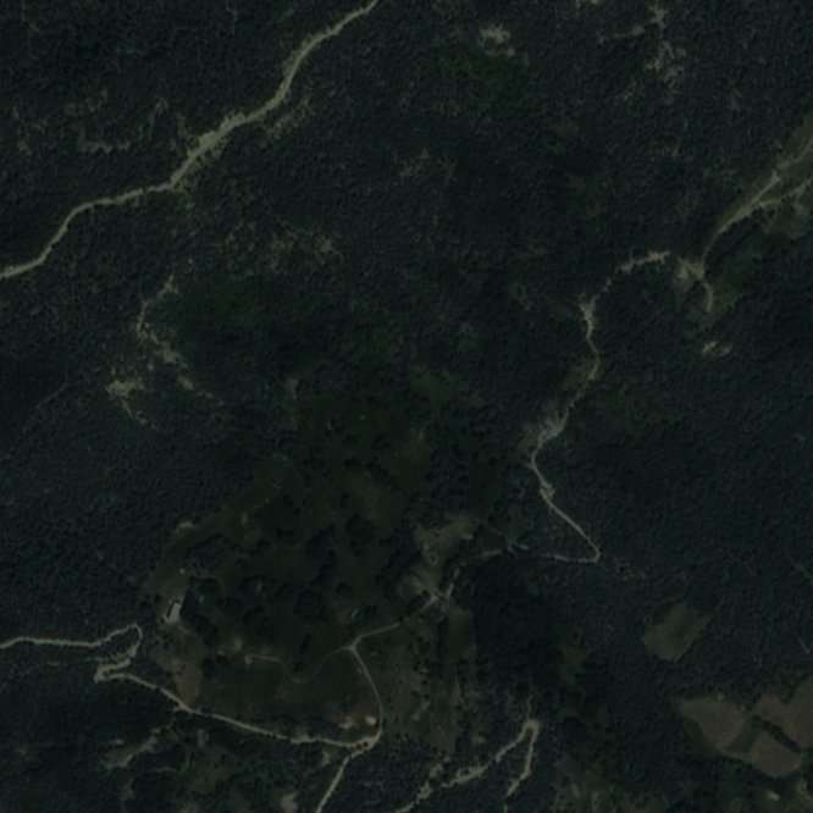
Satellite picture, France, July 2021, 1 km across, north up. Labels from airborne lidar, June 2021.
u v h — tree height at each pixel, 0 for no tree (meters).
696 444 7
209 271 6
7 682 8
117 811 9
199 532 0
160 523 11
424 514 14
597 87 9
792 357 8
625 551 9
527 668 16
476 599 14
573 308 6
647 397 7
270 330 7
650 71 6
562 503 7
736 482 10
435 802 10
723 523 11
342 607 0
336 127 8
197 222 7
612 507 10
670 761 9
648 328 10
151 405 7
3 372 7
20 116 7
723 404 8
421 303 11
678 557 8
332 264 7
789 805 0
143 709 8
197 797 7
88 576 12
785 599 11
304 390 10
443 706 0
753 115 7
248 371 8
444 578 9
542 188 8
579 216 8
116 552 12
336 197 8
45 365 9
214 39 9
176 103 9
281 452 10
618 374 8
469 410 6
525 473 9
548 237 7
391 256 7
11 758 9
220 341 11
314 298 11
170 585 0
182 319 7
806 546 11
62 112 10
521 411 9
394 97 7
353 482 0
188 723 9
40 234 7
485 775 6
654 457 10
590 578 8
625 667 10
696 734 0
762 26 9
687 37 9
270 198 7
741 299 8
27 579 11
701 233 15
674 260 10
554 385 11
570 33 12
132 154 10
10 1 11
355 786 6
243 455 7
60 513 11
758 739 0
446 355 8
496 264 6
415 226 9
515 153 7
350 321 9
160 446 8
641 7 8
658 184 9
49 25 8
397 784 8
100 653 6
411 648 7
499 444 7
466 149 10
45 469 8
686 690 8
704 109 9
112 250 9
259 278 6
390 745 7
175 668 0
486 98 8
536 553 12
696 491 10
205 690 0
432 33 6
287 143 8
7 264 9
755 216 8
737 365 9
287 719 8
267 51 9
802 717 0
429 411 10
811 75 8
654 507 14
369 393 0
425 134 9
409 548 13
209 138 0
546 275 14
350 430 0
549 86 7
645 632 10
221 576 0
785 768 0
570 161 9
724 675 8
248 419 14
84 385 10
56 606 13
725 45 7
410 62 7
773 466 8
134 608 12
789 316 17
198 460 8
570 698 14
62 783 7
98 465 7
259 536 0
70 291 10
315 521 0
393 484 8
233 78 8
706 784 9
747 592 13
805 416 8
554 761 9
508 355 11
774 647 7
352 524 13
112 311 12
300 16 10
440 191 6
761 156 9
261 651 0
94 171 10
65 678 9
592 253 11
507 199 9
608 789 0
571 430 6
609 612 7
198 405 7
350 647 0
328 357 11
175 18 7
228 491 10
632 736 10
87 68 11
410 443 0
